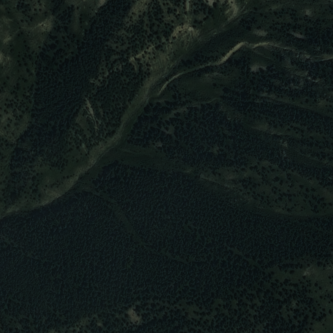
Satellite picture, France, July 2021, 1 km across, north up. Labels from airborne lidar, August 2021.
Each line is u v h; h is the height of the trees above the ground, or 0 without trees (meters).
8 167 9
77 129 7
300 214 0
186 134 17
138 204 9
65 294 11
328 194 0
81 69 19
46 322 15
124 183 13
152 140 17
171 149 12
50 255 11
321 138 0
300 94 17
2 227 20
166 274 13
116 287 22
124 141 0
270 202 13
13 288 21
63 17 17
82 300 22
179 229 15
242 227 16
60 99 9
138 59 17
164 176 9
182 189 15
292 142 8
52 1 8
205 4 12
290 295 17
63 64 14
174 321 17
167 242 10
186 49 0
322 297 13
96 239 15
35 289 18
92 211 19
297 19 12
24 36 0
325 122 13
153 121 25
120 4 13
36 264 19
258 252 15
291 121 7
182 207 9
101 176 20
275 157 10
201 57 8
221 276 20
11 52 8
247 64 10
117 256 19
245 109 22
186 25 0
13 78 0
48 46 26
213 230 16
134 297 17
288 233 15
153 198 22
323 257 9
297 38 12
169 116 0
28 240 8
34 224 19
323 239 7
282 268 15
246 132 12
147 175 25
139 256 14
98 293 8
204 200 9
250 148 14
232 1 9
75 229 20
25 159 18
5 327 23
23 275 17
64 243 22
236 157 10
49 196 0
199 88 0
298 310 17
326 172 15
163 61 0
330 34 12
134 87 12
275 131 0
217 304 0
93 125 13
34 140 11
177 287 18
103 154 0
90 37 12
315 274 0
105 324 20
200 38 0
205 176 0
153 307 17
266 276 19
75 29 0
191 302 11
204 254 16
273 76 12
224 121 14
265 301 20
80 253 20
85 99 11
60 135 14
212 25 0
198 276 7
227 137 17
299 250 16
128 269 18
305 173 12
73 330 9
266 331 19
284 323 20
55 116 21
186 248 16
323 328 0
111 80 18
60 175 0
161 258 9
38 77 13
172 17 0
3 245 18
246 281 17
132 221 17
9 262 16
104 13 7
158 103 15
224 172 0
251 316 15
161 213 14
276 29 8
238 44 0
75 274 14
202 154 24
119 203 15
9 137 8
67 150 9
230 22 0
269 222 14
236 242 17
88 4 0
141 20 8
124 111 14
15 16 0
